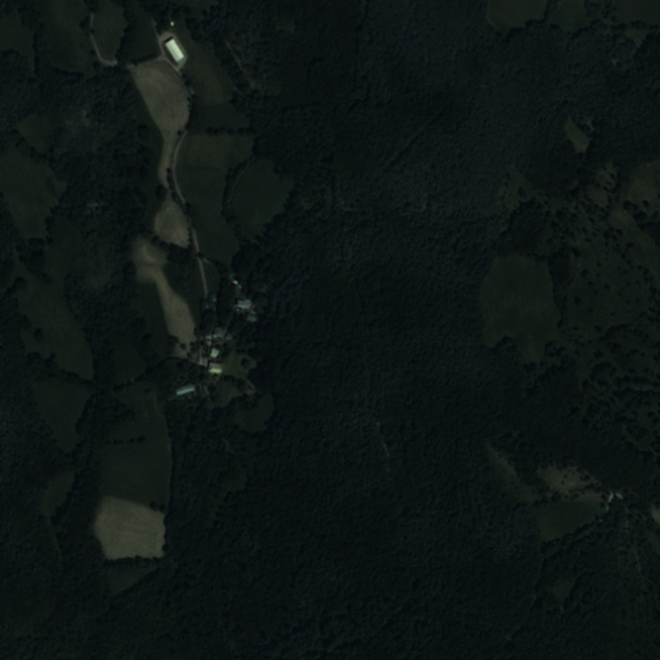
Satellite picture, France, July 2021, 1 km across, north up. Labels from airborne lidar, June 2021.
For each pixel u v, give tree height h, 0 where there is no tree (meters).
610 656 13
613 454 22
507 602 25
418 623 21
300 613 11
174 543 19
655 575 19
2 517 24
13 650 10
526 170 15
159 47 0
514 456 6
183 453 21
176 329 0
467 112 18
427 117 21
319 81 22
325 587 27
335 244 15
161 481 0
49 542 27
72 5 0
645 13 0
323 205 22
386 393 15
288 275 20
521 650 20
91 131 7
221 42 19
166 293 0
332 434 23
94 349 18
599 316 0
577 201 18
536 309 0
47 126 0
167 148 0
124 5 14
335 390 19
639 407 12
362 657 29
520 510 17
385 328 22
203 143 0
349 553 28
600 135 19
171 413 13
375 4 17
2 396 17
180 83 0
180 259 16
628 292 0
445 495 19
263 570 13
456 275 15
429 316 19
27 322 19
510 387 21
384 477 19
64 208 15
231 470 7
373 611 29
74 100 10
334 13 12
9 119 13
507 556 21
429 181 8
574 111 15
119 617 17
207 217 0
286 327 21
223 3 16
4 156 0
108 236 5
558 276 17
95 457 18
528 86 15
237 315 12
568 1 0
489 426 16
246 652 9
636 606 14
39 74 21
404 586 27
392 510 28
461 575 21
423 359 26
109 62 0
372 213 15
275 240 25
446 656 27
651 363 0
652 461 25
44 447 26
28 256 14
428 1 13
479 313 11
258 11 17
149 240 12
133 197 29
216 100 0
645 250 0
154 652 12
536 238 22
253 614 13
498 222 9
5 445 21
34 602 24
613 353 14
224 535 15
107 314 28
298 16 15
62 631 18
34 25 22
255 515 27
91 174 13
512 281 0
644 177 0
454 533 23
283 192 0
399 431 13
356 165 13
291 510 23
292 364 23
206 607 11
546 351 7
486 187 12
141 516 0
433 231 17
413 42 17
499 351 19
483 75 14
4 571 27
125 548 0
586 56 19
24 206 0
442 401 20
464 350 15
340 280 9
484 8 16
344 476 24
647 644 7
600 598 18
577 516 0
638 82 23
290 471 24
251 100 19
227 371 0
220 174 0
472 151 17
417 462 21
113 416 19
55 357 12
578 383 24
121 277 6
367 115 20
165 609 16
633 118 20
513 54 11
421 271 16
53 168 14
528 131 18
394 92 22
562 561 18
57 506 0
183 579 11
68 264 0
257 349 17
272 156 24
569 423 26
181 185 0
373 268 19
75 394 0
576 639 17
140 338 26
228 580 13
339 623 29
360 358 18
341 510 28
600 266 8
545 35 18
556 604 12
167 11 11
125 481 0
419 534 21
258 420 0
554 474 0
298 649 26
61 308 0
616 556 12
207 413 20
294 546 27
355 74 11
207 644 9
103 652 8
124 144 14
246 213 0
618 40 16
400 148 13
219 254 0
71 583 27
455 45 16
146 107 0
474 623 23
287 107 21
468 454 17
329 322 15
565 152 26
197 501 21
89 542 19
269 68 10
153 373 20
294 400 30
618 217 0
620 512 14
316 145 22
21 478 25
